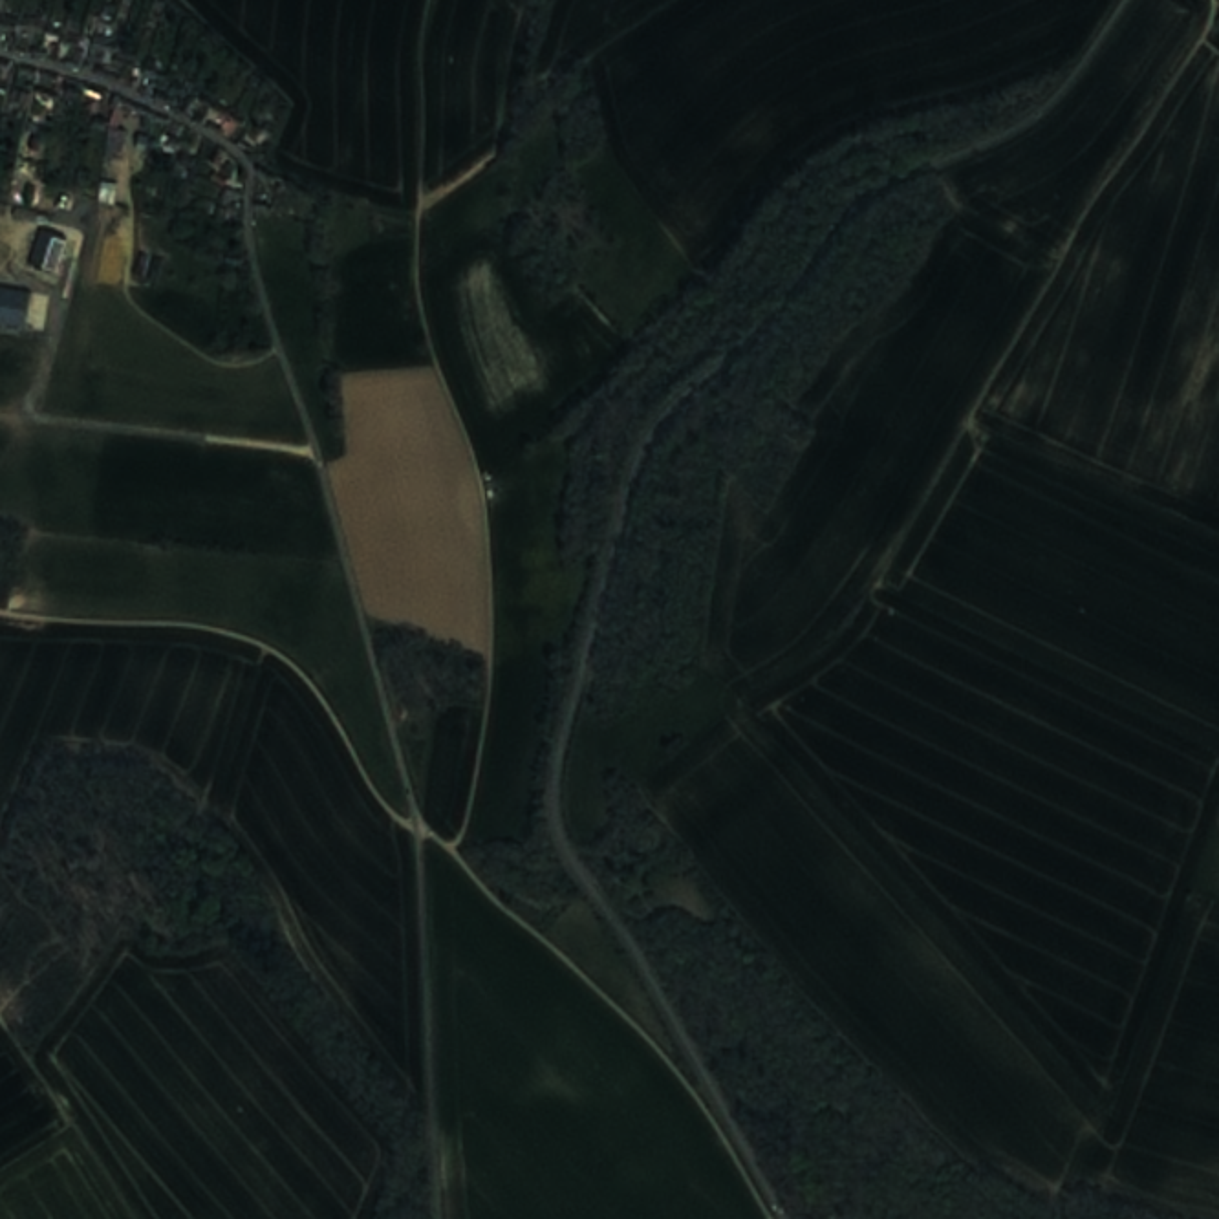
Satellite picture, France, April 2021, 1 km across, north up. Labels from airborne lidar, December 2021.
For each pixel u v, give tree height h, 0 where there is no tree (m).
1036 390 0
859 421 0
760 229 27
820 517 0
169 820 26
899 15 0
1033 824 0
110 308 0
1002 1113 0
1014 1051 0
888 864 0
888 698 0
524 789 0
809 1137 18
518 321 0
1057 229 0
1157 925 0
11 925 7
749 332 15
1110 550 0
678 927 16
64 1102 0
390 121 0
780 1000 21
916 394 0
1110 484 0
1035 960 0
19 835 17
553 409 0
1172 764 0
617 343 0
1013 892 0
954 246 0
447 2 0
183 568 0
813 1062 20
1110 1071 0
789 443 17
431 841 0
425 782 0
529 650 0
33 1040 15
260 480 0
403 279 0
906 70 0
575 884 7
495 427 0
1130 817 0
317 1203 0
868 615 0
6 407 0
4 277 0
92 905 25
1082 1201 20
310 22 0
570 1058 0
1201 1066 0
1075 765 0
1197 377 0
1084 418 0
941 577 0
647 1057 0
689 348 13
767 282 16
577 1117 0
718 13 0
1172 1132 0
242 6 0
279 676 0
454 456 0
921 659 0
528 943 0
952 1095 0
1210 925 0
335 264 9
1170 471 0
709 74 0
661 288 0
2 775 0
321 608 0
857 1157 15
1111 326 0
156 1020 0
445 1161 0
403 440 0
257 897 18
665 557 13
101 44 0
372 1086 19
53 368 0
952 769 0
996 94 12
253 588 0
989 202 0
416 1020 0
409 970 0
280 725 0
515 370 0
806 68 0
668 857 9
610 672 13
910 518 0
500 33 0
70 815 25
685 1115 0
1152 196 0
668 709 0
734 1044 8
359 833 0
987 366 0
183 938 22
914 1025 0
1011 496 0
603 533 17
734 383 23
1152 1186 0
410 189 0
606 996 0
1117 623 0
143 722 0
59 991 6
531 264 17
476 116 0
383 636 7
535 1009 0
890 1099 19
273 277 0
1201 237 0
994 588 0
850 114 0
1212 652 0
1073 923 0
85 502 0
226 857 24
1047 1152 0
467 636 0
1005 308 0
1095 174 0
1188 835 0
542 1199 0
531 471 0
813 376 18
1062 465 0
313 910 0
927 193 16
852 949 0
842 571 0
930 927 0
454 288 0
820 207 18
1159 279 0
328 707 0
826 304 20
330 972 0
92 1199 0
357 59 0
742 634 0
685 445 7
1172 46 0
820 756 0
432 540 0
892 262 24
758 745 0
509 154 19
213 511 0
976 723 0
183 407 0
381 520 0
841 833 0
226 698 0
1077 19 0
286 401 0
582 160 13
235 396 0
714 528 16
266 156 8
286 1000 13
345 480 0
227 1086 0
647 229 0
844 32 0
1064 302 0
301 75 0
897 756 0
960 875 0
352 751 0
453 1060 0
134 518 0
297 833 0
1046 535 0
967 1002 0
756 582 0
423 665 26
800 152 0
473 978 0
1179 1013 0
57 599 0
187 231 13
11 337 0
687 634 17
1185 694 0
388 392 0
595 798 0
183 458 0
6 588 7
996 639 0
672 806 0
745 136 0
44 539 0
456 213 0
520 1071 0
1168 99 0
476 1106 0
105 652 0
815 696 0
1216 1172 0
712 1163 0
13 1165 0
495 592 0
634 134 0
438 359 0
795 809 0
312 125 0
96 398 0
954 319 0
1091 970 0
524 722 0
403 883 0
